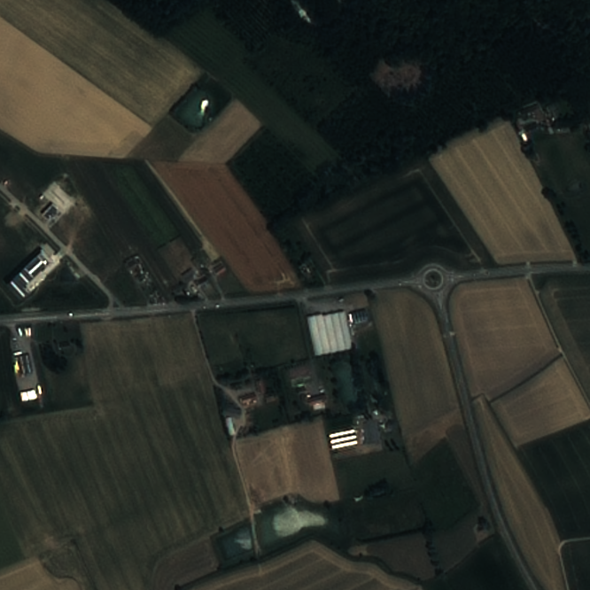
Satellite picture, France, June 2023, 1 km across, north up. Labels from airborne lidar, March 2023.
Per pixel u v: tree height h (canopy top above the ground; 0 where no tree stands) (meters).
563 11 26
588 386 0
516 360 0
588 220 0
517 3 19
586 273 0
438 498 0
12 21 0
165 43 0
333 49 21
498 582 0
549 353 0
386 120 5
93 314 0
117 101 0
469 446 0
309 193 27
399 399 0
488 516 0
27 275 0
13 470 0
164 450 0
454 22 25
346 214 0
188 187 0
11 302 0
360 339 0
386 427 0
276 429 0
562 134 0
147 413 0
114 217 0
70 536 0
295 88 0
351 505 0
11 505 0
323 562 0
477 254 0
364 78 13
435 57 24
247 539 0
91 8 0
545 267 0
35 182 0
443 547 0
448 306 0
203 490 0
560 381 0
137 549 0
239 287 0
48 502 0
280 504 0
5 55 0
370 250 0
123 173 0
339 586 0
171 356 0
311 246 0
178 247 0
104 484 0
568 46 20
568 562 0
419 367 0
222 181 0
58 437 0
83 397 0
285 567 0
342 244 0
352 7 23
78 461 0
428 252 0
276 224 22
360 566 0
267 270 0
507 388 0
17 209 0
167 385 0
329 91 0
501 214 0
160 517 0
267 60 0
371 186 0
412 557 0
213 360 0
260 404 0
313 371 0
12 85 0
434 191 0
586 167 0
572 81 33
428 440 0
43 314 0
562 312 0
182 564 0
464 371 0
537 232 0
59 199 0
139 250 0
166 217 0
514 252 0
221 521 0
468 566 0
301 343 0
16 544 0
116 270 0
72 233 0
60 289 0
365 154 22
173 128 0
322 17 26
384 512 0
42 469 0
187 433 0
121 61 0
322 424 0
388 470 0
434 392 0
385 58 24
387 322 0
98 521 0
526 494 0
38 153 0
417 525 0
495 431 0
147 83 0
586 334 0
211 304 0
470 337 0
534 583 0
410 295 0
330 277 0
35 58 0
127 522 0
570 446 0
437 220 0
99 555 0
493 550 0
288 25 24
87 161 0
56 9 0
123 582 0
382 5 28
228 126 0
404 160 18
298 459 0
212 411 0
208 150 0
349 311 0
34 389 0
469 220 0
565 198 0
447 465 0
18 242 0
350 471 0
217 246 0
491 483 0
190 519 0
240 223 0
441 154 0
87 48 0
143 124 0
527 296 0
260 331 0
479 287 0
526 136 0
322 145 0
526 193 0
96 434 0
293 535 0
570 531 0
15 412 0
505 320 0
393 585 0
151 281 0
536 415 0
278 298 0
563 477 0
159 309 0
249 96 0
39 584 0
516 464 0
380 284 0
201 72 0
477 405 0
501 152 0
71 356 0
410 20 23
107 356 0
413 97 13
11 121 0
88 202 0
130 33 0
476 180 0
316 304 0
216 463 0
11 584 0
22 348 0
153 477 0
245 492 0
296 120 0
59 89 0
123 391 0
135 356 0
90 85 0
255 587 0
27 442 0
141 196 0
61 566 0
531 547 0
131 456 0
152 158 0
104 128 0
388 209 0
